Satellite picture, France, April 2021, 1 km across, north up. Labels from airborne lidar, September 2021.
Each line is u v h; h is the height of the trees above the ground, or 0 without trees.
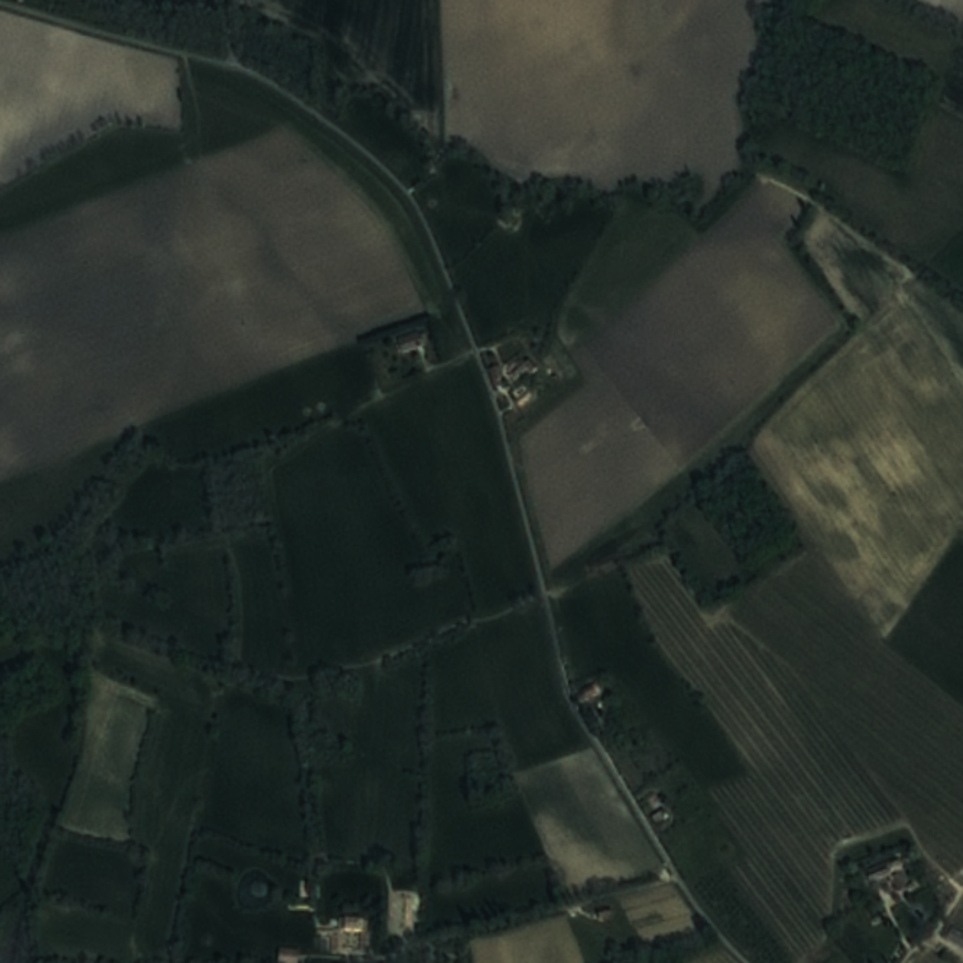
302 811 8
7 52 0
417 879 10
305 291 0
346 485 0
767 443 0
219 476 14
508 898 0
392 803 0
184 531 15
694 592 13
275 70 15
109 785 0
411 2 0
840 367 0
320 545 0
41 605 24
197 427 0
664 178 0
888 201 0
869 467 0
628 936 0
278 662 0
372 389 0
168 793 0
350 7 0
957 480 0
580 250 0
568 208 23
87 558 21
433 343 11
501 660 0
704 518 15
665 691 0
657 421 0
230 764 0
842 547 0
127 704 0
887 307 0
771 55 17
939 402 0
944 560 0
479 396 0
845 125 23
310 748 12
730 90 0
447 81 0
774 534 24
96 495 16
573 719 0
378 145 0
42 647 15
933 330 0
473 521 0
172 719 0
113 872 0
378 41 0
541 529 0
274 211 0
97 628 20
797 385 0
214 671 16
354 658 0
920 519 0
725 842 0
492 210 0
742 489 23
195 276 0
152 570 0
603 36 0
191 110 0
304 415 0
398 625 0
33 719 12
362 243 0
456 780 0
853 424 0
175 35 14
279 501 0
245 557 0
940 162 0
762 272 0
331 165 0
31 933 8
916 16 19
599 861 0
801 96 23
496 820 0
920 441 0
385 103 10
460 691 0
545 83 0
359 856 0
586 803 0
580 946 0
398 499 8
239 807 0
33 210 0
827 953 0
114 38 0
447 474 0
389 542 0
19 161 0
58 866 0
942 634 0
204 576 0
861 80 24
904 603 0
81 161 0
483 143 0
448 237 0
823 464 0
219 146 0
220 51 11
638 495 0
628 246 0
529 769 0
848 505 0
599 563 0
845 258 0
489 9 0
